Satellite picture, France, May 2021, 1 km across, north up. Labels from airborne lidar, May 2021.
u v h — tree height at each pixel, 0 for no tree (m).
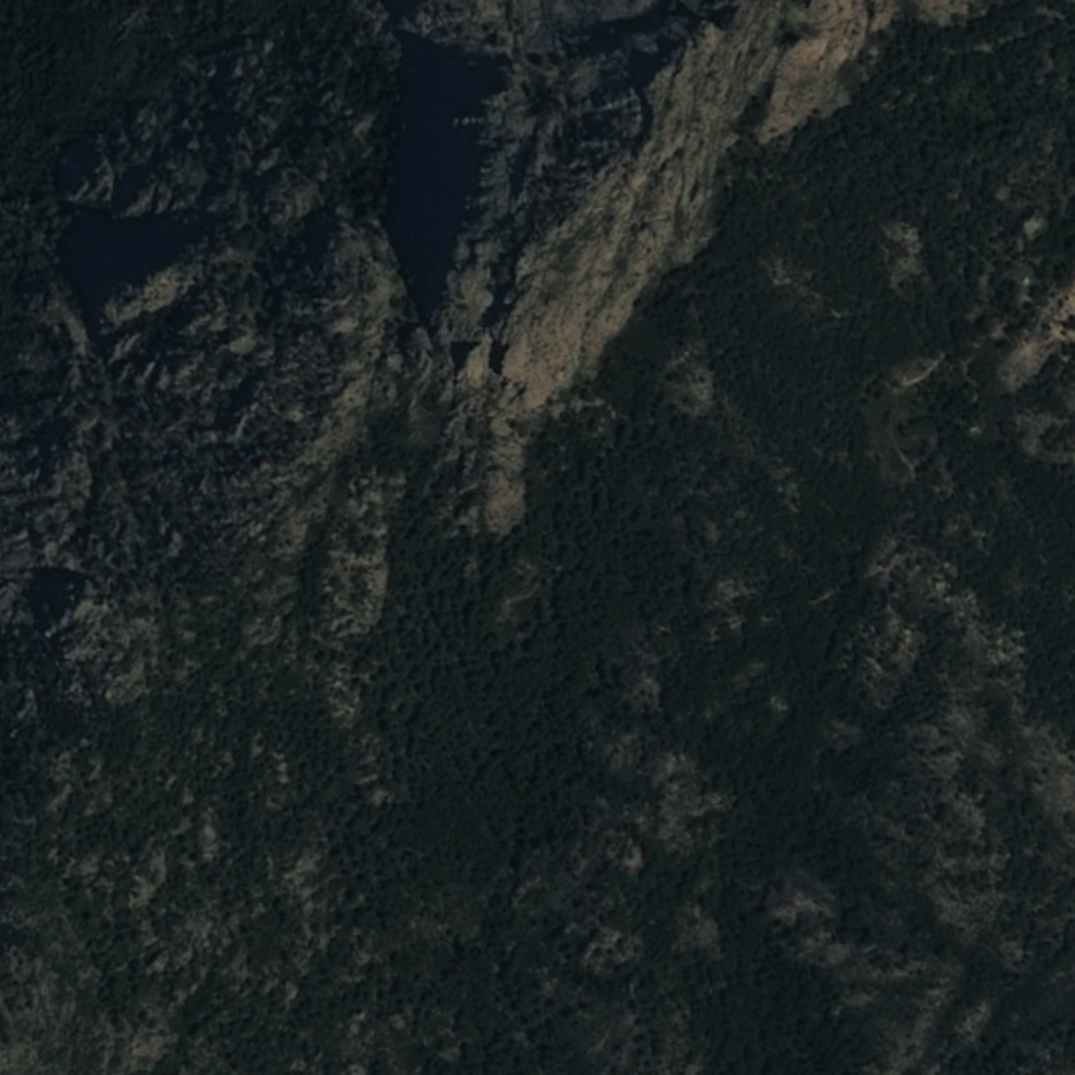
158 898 14
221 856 7
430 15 13
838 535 14
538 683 19
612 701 22
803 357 10
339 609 6
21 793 16
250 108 24
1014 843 12
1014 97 22
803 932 11
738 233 18
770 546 9
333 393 9
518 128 0
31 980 7
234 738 12
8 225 28
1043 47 19
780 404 11
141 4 12
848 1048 21
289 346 10
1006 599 12
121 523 6
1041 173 13
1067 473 9
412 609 27
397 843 22
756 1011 18
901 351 14
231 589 15
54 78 9
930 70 17
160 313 13
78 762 18
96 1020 12
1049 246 15
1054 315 0
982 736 6
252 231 22
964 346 18
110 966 18
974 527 8
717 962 15
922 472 14
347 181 19
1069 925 10
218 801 22
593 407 13
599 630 22
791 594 17
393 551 25
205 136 16
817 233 14
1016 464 22
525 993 24
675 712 20
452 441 9
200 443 11
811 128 20
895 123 19
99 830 13
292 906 14
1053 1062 7
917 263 0
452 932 13
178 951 13
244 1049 21
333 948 19
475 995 30
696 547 13
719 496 8
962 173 14
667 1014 14
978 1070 10
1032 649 10
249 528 9
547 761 22
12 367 14
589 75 0
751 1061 20
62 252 7
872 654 11
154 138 6
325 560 13
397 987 23
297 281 14
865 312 12
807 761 13
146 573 13
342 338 14
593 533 24
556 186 20
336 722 19
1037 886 11
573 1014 18
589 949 8
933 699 11
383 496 6
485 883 22
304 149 7
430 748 28
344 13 13
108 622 13
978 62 18
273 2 12
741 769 19
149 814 12
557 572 14
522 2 0
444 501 17
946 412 14
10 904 12
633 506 10
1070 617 15
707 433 8
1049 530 17
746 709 16
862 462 16
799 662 16
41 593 7
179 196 6
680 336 8
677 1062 10
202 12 19
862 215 17
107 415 14
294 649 11
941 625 10
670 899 16
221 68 7
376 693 22
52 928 12
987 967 7
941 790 10
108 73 6
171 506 27
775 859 22
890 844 12
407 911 32
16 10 17
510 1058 22
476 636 19
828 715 10
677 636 13
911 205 14
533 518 16
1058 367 11
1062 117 7
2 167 8
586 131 15
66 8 17
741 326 14
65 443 8
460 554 18
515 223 8
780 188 19
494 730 19
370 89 23
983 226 10
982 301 11
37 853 8
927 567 9
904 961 7
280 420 7
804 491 12
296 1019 7
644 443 17
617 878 14
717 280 20
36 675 7
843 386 14
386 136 15
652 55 0
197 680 14
